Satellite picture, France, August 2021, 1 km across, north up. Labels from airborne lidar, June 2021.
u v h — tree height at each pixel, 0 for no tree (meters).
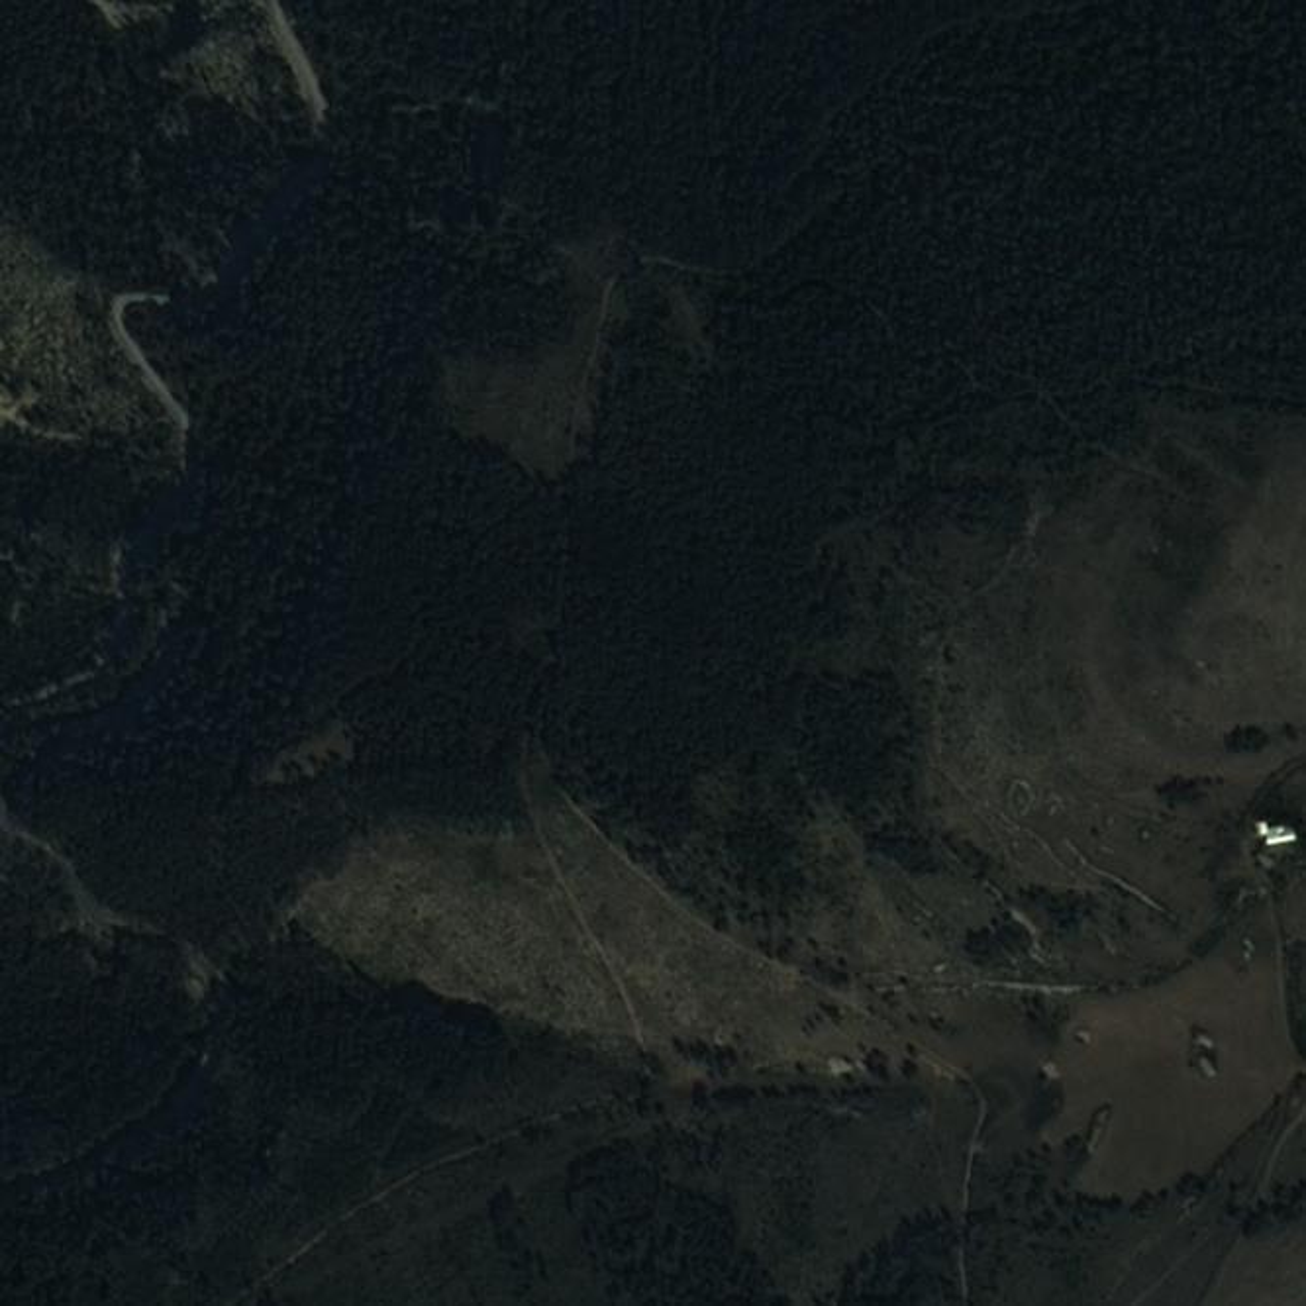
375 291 15
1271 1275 0
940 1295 14
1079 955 0
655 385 13
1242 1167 0
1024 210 6
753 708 14
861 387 10
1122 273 9
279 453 9
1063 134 8
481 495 26
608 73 16
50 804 19
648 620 14
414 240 9
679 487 10
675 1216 10
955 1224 15
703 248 25
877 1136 0
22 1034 29
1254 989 0
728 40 27
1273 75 10
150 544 16
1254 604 0
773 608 12
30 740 16
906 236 7
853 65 26
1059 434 8
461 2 19
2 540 6
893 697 7
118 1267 12
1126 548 0
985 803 0
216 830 25
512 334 24
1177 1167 0
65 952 21
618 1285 11
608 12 14
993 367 8
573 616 13
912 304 10
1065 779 0
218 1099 23
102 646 0
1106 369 9
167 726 20
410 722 20
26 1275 13
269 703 8
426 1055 30
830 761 14
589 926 0
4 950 19
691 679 15
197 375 11
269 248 21
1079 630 0
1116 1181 0
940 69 17
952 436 10
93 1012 31
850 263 11
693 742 13
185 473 0
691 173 26
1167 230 5
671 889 9
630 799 11
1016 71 8
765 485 10
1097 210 7
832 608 10
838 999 0
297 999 28
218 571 22
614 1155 10
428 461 24
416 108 7
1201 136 9
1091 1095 0
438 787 25
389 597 26
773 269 14
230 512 22
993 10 26
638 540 14
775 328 14
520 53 20
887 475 11
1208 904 0
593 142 11
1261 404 10
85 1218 11
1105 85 15
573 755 10
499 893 0
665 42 24
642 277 8
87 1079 23
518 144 10
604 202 23
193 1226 19
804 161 26
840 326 9
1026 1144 0
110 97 10
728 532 10
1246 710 0
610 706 13
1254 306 8
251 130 11
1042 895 10
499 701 16
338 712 8
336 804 19
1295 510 0
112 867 26
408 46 16
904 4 27
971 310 8
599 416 9
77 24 19
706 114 33
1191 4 15
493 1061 28
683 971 0
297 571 7
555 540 26
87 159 11
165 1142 24
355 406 20
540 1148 13
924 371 8
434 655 11
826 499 13
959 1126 0
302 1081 24
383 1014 28
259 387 17
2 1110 24
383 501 27
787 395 11
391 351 14
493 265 12
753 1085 0
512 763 19
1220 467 0
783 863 9
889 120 21
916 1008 0
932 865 9
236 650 25
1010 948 6
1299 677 0
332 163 19
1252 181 10
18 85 15
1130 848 0
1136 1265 0
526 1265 8
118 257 7
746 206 28
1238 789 0
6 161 18
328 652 23
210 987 0
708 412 11
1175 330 11
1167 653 0
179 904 25
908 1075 14
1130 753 0
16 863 17
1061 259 6
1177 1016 0
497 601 26
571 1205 10
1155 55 14
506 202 7
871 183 8
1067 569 0
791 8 31
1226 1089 0
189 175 6
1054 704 0
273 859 29
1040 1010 13
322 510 19
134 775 20
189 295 0
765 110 30
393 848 0
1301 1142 0
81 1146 25
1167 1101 0
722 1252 17
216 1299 14
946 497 13
